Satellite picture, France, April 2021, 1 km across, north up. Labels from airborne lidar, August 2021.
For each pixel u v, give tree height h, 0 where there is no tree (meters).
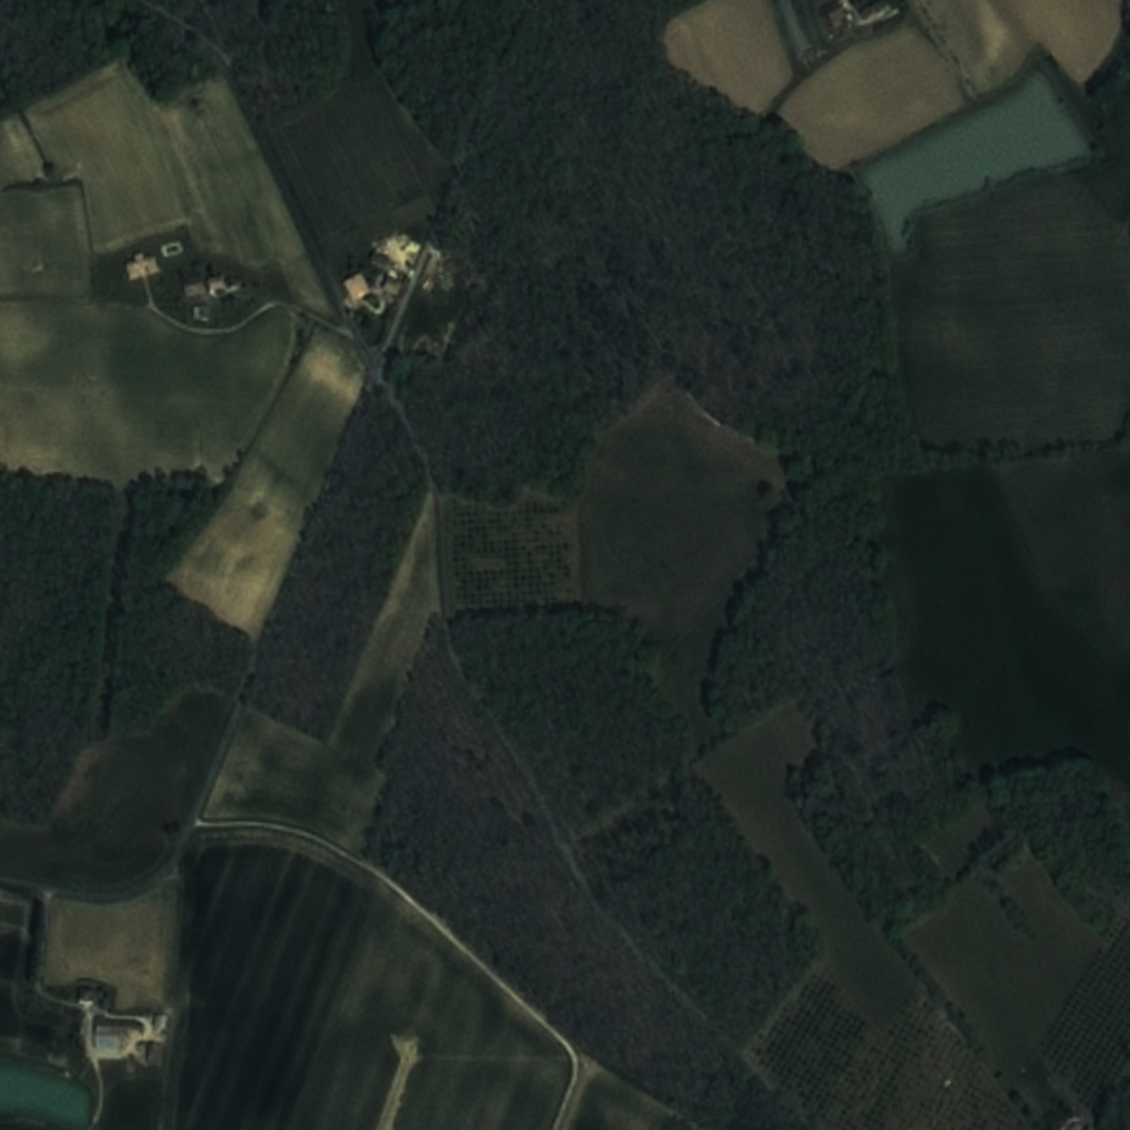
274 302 0
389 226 0
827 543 25
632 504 0
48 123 0
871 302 18
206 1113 0
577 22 14
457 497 15
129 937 0
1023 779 23
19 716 20
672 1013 19
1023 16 0
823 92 0
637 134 20
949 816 18
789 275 18
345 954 0
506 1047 0
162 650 21
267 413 0
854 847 15
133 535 22
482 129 22
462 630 17
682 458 0
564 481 18
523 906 15
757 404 15
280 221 0
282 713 16
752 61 0
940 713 15
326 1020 0
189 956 0
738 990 19
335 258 0
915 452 17
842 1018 6
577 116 16
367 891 0
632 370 11
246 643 14
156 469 0
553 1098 0
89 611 24
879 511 18
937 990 15
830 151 0
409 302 0
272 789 0
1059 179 0
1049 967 0
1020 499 0
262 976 0
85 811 0
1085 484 0
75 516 17
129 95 0
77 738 17
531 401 20
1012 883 0
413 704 16
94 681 24
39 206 0
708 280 17
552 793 15
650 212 18
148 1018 0
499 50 21
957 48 0
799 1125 16
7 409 0
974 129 0
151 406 0
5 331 0
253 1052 0
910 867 16
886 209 0
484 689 20
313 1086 0
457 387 18
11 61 14
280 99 17
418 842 19
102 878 0
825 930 0
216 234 0
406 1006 0
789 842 0
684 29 0
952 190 0
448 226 18
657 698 27
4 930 0
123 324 0
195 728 0
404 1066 0
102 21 25
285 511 0
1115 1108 22
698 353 13
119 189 0
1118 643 0
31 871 0
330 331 0
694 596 0
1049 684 0
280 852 0
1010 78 0
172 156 0
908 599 0
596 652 25
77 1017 8
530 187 21
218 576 0
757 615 20
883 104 0
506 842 16
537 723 20
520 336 20
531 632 23
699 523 0
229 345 0
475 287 8
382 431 17
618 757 18
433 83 18
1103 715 0
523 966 12
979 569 0
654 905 20
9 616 20
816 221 21
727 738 13
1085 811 22
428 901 10
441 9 21
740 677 23
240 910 0
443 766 15
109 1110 0
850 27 0
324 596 16
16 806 18
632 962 16
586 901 16
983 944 0
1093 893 17
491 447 21
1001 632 0
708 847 19
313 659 19
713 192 18
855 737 17
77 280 0
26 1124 0
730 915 21
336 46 22
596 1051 17
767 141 18
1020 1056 0
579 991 13
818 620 19
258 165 0
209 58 13
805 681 18
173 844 16
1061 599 0
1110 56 0
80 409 0
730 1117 18
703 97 21
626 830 10
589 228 19
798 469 25
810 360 16
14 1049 0
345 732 0
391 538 16
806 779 12
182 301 6
